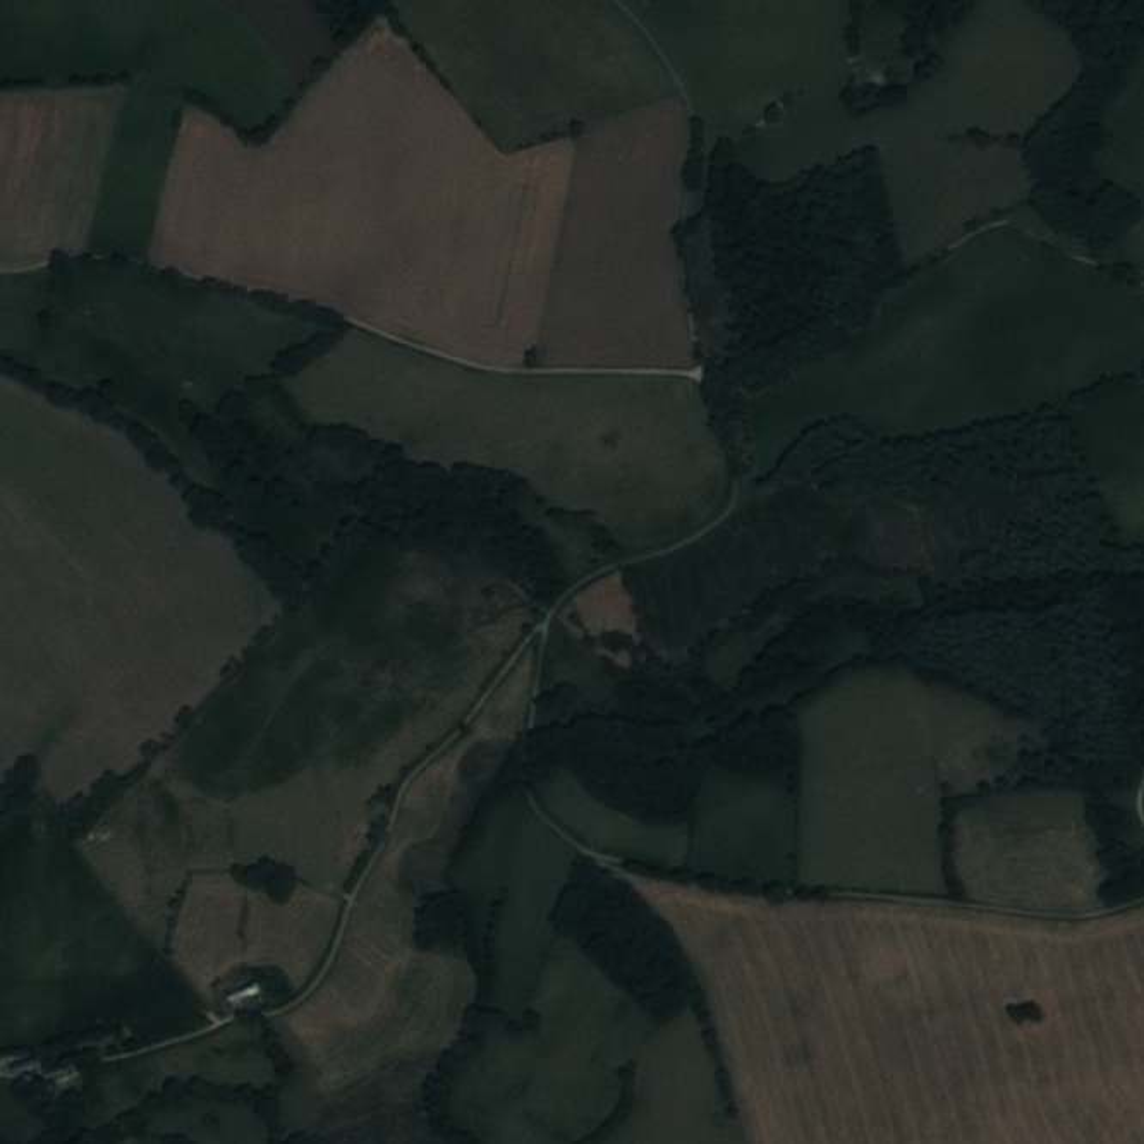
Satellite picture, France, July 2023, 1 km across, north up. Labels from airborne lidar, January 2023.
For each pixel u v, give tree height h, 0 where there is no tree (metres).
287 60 0
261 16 0
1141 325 0
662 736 17
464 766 0
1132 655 24
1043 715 26
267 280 0
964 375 0
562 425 0
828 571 17
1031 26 0
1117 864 6
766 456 0
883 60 0
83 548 0
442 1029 0
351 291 0
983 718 0
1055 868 0
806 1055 0
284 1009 0
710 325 0
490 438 0
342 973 0
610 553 19
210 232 0
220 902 0
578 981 0
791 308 8
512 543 20
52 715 0
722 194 10
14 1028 0
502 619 0
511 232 0
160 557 0
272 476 0
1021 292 0
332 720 0
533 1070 0
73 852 0
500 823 0
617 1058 0
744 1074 0
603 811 0
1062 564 20
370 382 0
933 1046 0
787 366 16
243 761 0
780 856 0
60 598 0
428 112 0
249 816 0
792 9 0
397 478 23
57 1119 12
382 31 0
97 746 0
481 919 0
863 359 0
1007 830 0
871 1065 0
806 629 18
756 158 0
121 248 0
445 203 0
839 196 18
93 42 0
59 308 0
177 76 0
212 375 0
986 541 0
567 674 0
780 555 0
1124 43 17
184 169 0
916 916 0
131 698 0
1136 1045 0
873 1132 0
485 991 8
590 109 0
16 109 0
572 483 0
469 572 0
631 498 0
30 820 0
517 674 0
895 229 13
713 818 0
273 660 0
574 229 0
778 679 10
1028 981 0
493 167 0
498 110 0
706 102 0
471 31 0
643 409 0
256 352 0
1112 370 0
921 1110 0
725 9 0
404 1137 0
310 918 0
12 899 0
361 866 10
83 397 13
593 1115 0
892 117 0
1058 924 0
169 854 0
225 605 0
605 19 0
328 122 0
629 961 18
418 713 0
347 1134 0
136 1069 0
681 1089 0
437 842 0
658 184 0
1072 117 19
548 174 0
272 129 12
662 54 0
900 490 23
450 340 0
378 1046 0
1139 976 0
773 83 0
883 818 0
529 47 0
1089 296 0
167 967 0
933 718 0
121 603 0
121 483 0
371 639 0
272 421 0
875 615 18
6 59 0
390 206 0
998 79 0
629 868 12
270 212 0
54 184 0
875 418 0
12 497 0
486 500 21
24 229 0
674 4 0
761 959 0
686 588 0
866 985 0
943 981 0
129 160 0
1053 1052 0
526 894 0
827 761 0
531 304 0
